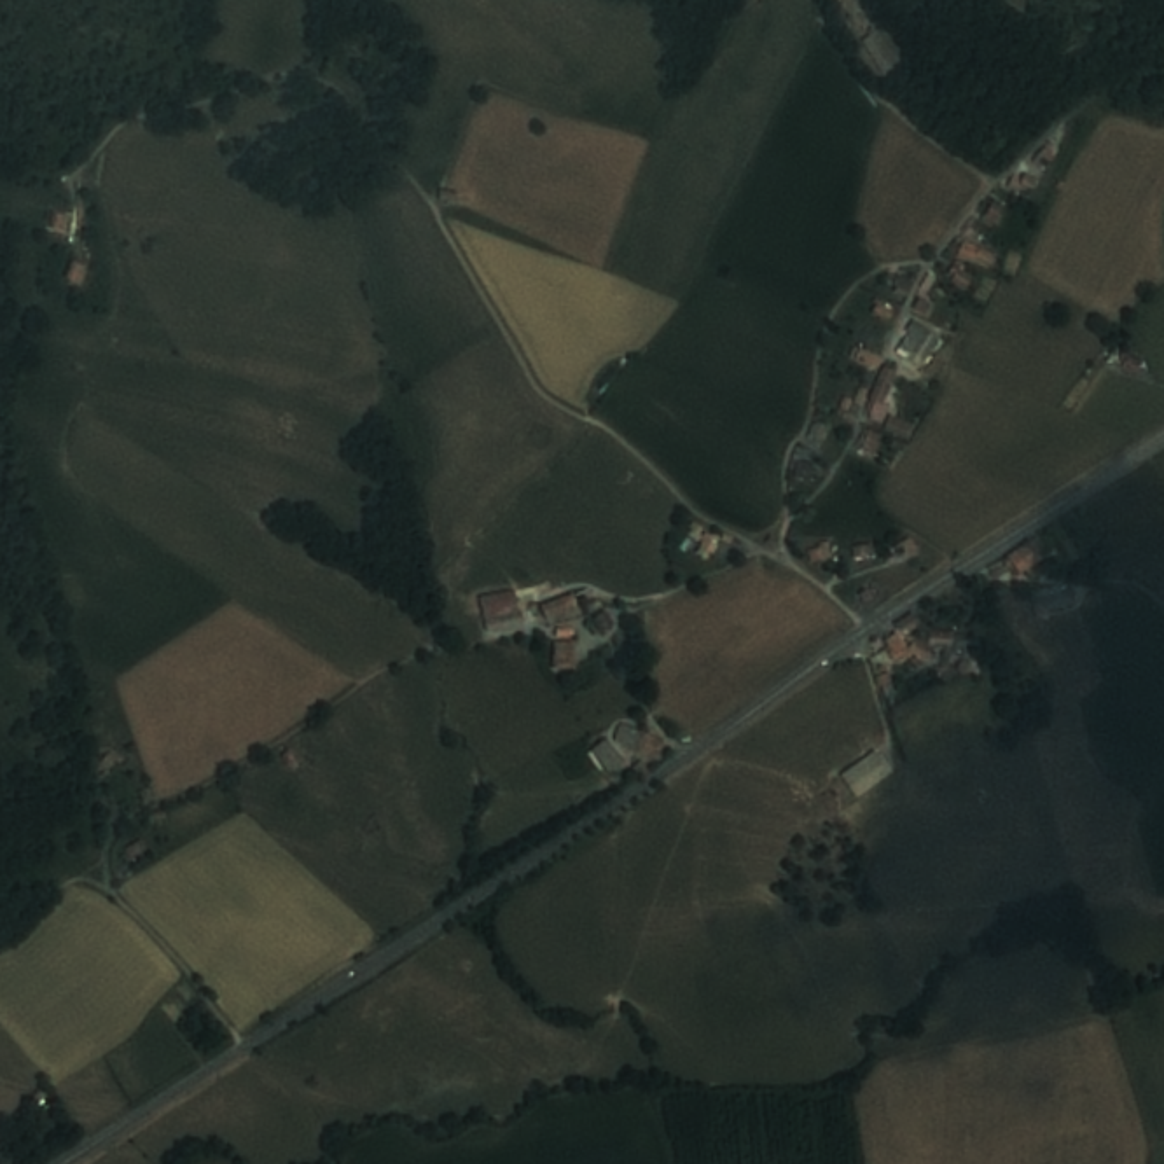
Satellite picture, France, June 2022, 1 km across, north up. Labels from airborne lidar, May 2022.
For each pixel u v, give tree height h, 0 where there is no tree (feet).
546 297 0
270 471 0
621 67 0
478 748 0
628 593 0
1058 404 0
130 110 54
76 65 31
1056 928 73
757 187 0
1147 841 0
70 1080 0
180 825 0
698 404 0
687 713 0
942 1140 0
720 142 0
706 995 0
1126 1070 0
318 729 38
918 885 0
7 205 0
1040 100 60
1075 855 0
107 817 32
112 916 0
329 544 67
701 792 0
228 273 0
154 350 0
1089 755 0
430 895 0
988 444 0
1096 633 0
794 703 0
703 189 0
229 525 0
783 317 0
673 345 0
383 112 82
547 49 0
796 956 0
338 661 0
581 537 0
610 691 0
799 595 0
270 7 0
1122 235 0
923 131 36
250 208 0
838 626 0
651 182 0
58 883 19
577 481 0
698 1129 24
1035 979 0
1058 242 0
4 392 67
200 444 0
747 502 0
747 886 0
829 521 0
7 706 26
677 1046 0
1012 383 0
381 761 0
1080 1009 0
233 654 0
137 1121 0
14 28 32
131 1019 0
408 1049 0
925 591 0
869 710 0
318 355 0
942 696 0
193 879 0
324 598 0
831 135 0
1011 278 23
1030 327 0
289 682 0
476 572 0
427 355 0
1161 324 0
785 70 0
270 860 0
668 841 0
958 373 0
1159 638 0
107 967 0
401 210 0
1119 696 0
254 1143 0
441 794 0
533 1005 46
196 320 0
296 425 0
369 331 0
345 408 0
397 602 46
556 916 0
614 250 0
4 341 55
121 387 0
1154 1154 0
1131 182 0
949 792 0
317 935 0
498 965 44
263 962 0
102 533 0
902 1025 47
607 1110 0
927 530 0
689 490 0
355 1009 0
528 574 0
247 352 0
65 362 0
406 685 0
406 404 0
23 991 0
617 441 0
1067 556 0
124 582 0
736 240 0
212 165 0
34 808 40
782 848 0
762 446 0
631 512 0
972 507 0
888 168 0
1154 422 0
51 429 0
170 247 0
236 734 0
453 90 0
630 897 0
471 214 0
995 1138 0
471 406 0
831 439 0
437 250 0
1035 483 0
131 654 0
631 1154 0
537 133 39
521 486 0
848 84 0
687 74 73
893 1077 0
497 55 0
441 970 0
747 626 0
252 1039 0
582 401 0
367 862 0
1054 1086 0
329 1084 0
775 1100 23
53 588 46
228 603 0
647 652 92
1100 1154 0
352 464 45
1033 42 44
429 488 0
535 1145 0
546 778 0
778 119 0
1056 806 0
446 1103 0
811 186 0
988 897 0
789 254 0
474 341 0
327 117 86
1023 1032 0
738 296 0
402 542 50
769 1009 0
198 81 44
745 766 0
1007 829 0
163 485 0
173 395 0
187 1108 0
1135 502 0
